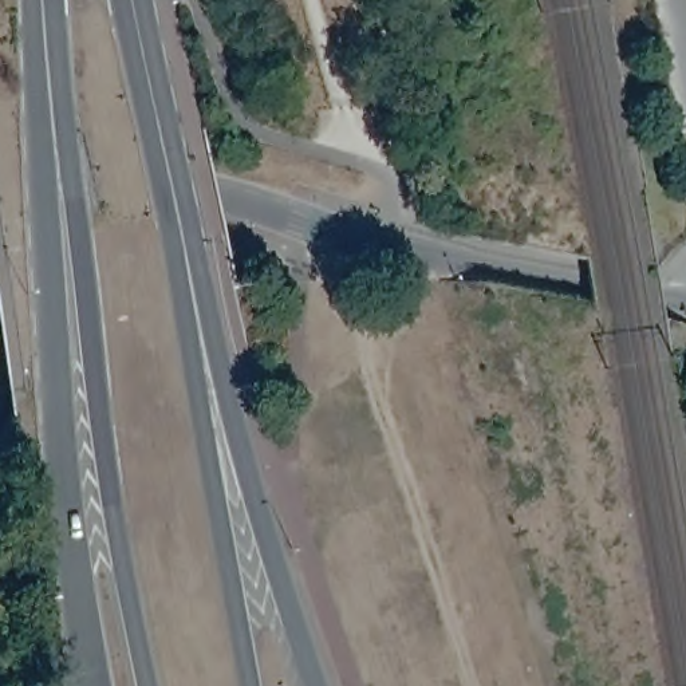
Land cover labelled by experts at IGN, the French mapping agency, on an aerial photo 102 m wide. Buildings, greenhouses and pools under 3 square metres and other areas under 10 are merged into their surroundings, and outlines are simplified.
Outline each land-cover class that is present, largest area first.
<instances>
[{"label":"herbaceous vegetation","instance_id":"1","mask_svg":"<svg viewBox=\"0 0 686 686\"><path fill-rule=\"evenodd\" d=\"M0 56H5L19 75L24 72L21 0H0ZM287 13L297 24V32L311 40V19L305 0H284ZM327 19V56L335 72L351 64V46L359 38V27L364 21V16L356 11V0H319ZM608 21L619 29V54L624 59L632 56L635 43L648 40L651 29L659 24L654 0H611ZM308 99L303 105V115L281 129L300 139L316 137L319 118L322 113L332 110V99L314 54L305 64ZM648 94L643 91L640 78L627 75L622 96V113L627 121L635 115V107L640 102H646ZM364 129L370 139L378 145L383 137H389L391 110L386 105H367L362 110ZM482 190L488 196L485 209L498 212V222H515L509 198H520L528 217L533 201L541 204L547 209L541 220V233L528 238L533 241V247H568L576 255V260L587 263L595 260V252L581 222L576 161L571 153V134L565 126H555L547 137L539 139V163L533 185L520 182L515 172H496L474 185V198ZM627 150L638 161V177L646 188V209L654 236V263L659 265L667 263L675 249L686 244V201L665 196L654 174V163L632 139ZM209 163L214 177L249 185L263 193H273L289 204L314 206L311 193L322 190L324 180H335L340 172L324 163H295L292 158L279 155L273 150L263 153L260 163L249 172H230L214 161ZM115 469L139 587L142 619L147 630L158 686H238L228 635V616L220 592L212 528L204 501V485L198 472L188 389L182 378L180 340L174 327L158 217H142L139 206L113 201L105 206L102 217H96V222L88 228ZM305 292V311L300 324L289 330L281 343L287 348L289 362L265 370V381H281L289 386H297L303 381L311 394L308 407L297 418V434L292 445L281 450V458L292 466V472L303 474L300 504L308 515V533L322 555L324 576L332 600L340 611V622L354 651L362 686H461L458 659L448 643L442 614L421 560L418 541L413 536L407 504L391 469L383 434L372 418L367 389L362 383L356 335L362 330L348 327L343 322L338 308L330 303V295L324 289L322 276L297 284ZM399 330L402 335L397 338L391 364V413L397 418L410 466L421 482L431 517L434 541L445 555L456 614L464 622V635L469 643L480 686H557V675L563 673L560 662L552 657L555 632L547 627V616L541 608L547 590L552 584L560 587V592L565 595V619L576 632L587 635V648L592 651V657H614V662L619 665L622 675L614 686H665L659 638L646 579V560L638 541L627 456L619 431V413L611 399V378L606 372L611 362V311L603 303L592 300L498 281H429L415 322ZM493 415L512 421L509 450L498 445L490 448L482 426L474 423L477 418ZM512 461L541 469L544 490L539 498H531L525 504L515 498V493L509 490ZM24 434L11 405L5 343L0 324V453L16 448ZM91 579L110 686H139L123 622L121 595L115 584V571L110 568L91 573ZM260 686H300L295 667L289 665V646L284 643L281 624L276 630L249 627ZM51 654H32V665H24L21 670H0V686H51Z\"/></svg>","mask_w":686,"mask_h":686},{"label":"impervious surface","instance_id":"2","mask_svg":"<svg viewBox=\"0 0 686 686\"><path fill-rule=\"evenodd\" d=\"M24 72L19 75V94L8 91L0 99V324L5 343L11 405L24 434L38 442L46 474H51L54 480L59 477V523L64 549L62 573L56 576V581L64 592L56 595V603L67 619V624L62 627L67 638L64 643H59V651L62 657L78 654L80 662L91 667V686H110L91 579V573L110 568L115 571V584L121 595L123 622L139 686H158L147 630L142 619L139 587L115 469L88 228L75 139L78 126L72 107L64 24L67 16H72V0H21ZM107 11H115V27L121 38L126 78L131 86L137 126L142 134V153L158 217L174 327L180 340L182 378L188 389L198 472L204 485V501L212 528L220 592L228 616V635L238 686H260L249 627L276 630L281 624L284 643L289 646V665L295 667L300 686H362L354 651L340 622V611L332 600L324 576L322 555L308 533V515L300 504L303 474L292 472V466L281 458V450L263 439V431L255 418L260 397L255 394V383L265 381V370L255 354L257 327L249 324V314L241 305V284L236 279V265L268 249L276 252V257L289 268V276L297 284L322 276L324 289L330 295L338 292V276L354 263V257H375L383 249L399 255L415 252V257H421L426 265L429 281H498L592 300L587 263L576 260V255L568 247H533V241L528 238L523 244H512L488 238L437 233L429 225H423L415 217V209L410 206L407 172L397 174L386 158L383 163H372L354 153L316 145V137L300 139L281 129L273 123L255 121L244 113L241 102L230 96L225 86L222 43L198 0H105ZM177 5L188 8L193 27L201 35L214 91L217 96H225V107L230 110L233 126L247 129L260 142L263 153L273 150L279 155L292 158L295 163H324L340 172L335 180H324L322 190L311 193L314 206L289 204L273 193H263L249 185L214 177L209 163L214 161L212 139L198 118L182 38L177 32ZM675 21V43L681 54V75L686 94V0H667ZM662 297L675 314L686 319V244L675 249L667 263L659 265Z\"/></svg>","mask_w":686,"mask_h":686},{"label":"deciduous trees","instance_id":"3","mask_svg":"<svg viewBox=\"0 0 686 686\"><path fill-rule=\"evenodd\" d=\"M222 43L225 86L230 96L241 102L244 113L255 121L273 123L281 129L303 115V105L308 99L305 64L314 54L311 40L297 32V24L287 13L284 0H198ZM536 5L541 8V0H356V11L364 16V21L359 27V38L351 46V64L335 72L346 94L351 96V105L362 110L367 105H386L391 110L389 137H383L378 145L386 158L397 174L407 172L410 206L415 209V217L423 225H429L437 233L488 238L498 222V212L485 209L464 204L458 198V188L466 182L469 169L464 155L458 153V123L464 113H493L501 99L512 96L504 86L506 70L515 59V54L509 51L506 32L515 27L517 16L528 13ZM177 32L182 38L198 118L212 139L214 161L230 172H249L260 163L263 153L260 142L247 129L233 126L230 110L225 107V96H217L214 91L201 35L193 27L188 8L177 5ZM627 75L640 78L643 91L648 94L646 102H640L635 107V115L627 121V134L632 139L654 163V174L665 196L686 201V137L683 110L670 91L673 54L662 38L659 24L651 29L648 40L635 43L632 56L624 59ZM236 279L241 284V305L249 314V324L257 327L255 354L265 370L289 362L287 348L281 343L289 330L300 324L305 311V292L289 276V268L276 257V252L268 249L236 265ZM429 281L426 265L421 257H415V252L399 255L383 249L375 257H354V263L338 276V292L330 295V303L338 308L343 322L348 327L362 330L372 335L399 330L415 322ZM681 410L686 415V348H673ZM255 394L260 397L255 418L263 431V439L281 450L292 445L297 434V418L308 407L311 394L303 381L297 386H289L281 381H265L255 383ZM64 549L59 523V477L54 480L51 474H46L38 442L24 434L16 448L0 453V670H21L24 665H32V654H51L59 651V643H64L67 638L62 627L67 624V619L56 603V595L64 592L56 581V576L62 573Z\"/></svg>","mask_w":686,"mask_h":686},{"label":"pervious surface","instance_id":"4","mask_svg":"<svg viewBox=\"0 0 686 686\"><path fill-rule=\"evenodd\" d=\"M64 24L72 107L78 126L75 139L88 228L96 222V217H102L105 206L113 201L139 206L142 217H158L142 153V134L137 126L131 86L126 78L121 38L115 27V11H107L105 0H72V16H67ZM311 19V40L314 54L332 99V110L322 113L319 118L316 137V145L354 153L372 163H383L386 158L378 145L370 139L364 129L362 110L351 105V96L346 94L327 56V19L319 0H305ZM611 0H541V8L549 24V46L555 56L565 126L571 134V153L576 161L581 222L595 252V260L587 263L592 300L603 303L611 311V362L606 372L611 378V399L619 413V431L627 456L638 541L646 560V579L659 638L665 686H686V415L681 410L673 348H686V319L675 314L662 297L659 265L654 263V236L646 209V188L638 177V161L627 150L632 139L627 134V121L622 113V96L627 75L624 59L619 54V29L608 21ZM659 24L662 38L673 54L670 91L683 110L686 137V94L681 75V54L675 43V21L667 0H654ZM402 335L399 330L372 335L362 330L356 335L362 383L367 389L372 418L383 434L391 469L407 504L413 536L418 541L421 560L442 614L448 643L458 659L461 686H480L469 643L464 635V622L456 614L445 555L434 541L431 517L421 482L410 466L397 418L391 413V364L397 338Z\"/></svg>","mask_w":686,"mask_h":686},{"label":"brushwood","instance_id":"5","mask_svg":"<svg viewBox=\"0 0 686 686\"><path fill-rule=\"evenodd\" d=\"M509 51L515 54V59L506 70L504 86L512 96L501 99L493 113H464L458 123V153L464 155L469 169L466 182L458 188V198L464 204L485 209L488 196L482 190L474 198V185L496 172H515L520 182L533 185L539 163V139L547 137L555 126H565L555 56L549 46V24L541 8L536 5L528 13L517 16L515 27L506 32ZM8 91L19 94V75L5 56H0V99ZM515 222H498L488 238L512 244H523L528 238L541 233V220L547 209L541 204L533 201L528 217L520 198H509ZM474 423L482 426L490 448L498 445L509 450L512 421L493 415L477 418ZM509 490L515 493V498L525 504L531 498H539L544 490L541 469L512 461ZM541 608L547 616V627L555 632L552 657L560 662L563 673L557 675V686H614L622 675L619 665L614 662V657H592V651L587 648V635L576 632L565 619V595L560 592V587L552 584L547 590Z\"/></svg>","mask_w":686,"mask_h":686},{"label":"coniferous trees","instance_id":"6","mask_svg":"<svg viewBox=\"0 0 686 686\"><path fill-rule=\"evenodd\" d=\"M51 686H91V667L80 662L78 654L62 657L59 651L51 654Z\"/></svg>","mask_w":686,"mask_h":686}]
</instances>
